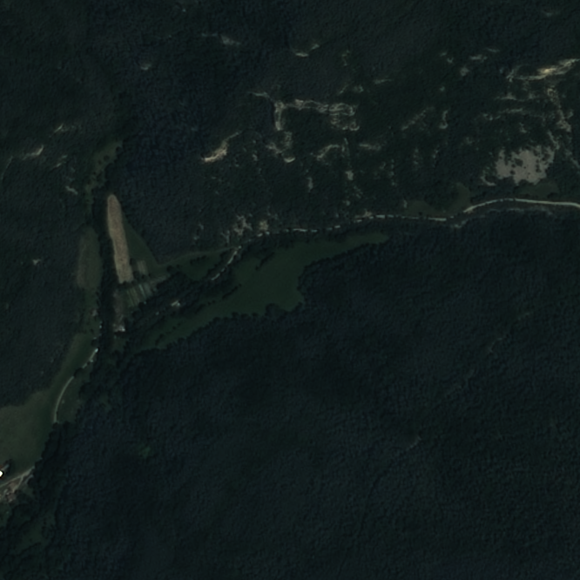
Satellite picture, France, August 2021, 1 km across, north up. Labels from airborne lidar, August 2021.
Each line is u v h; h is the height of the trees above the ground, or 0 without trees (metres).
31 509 16
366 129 9
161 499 16
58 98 16
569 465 17
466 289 9
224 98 13
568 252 17
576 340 13
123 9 13
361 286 18
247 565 10
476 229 15
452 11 10
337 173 10
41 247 19
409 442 6
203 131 12
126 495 17
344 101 12
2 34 19
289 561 13
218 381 18
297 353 16
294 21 15
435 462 11
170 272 13
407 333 14
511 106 8
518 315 9
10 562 16
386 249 18
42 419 0
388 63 14
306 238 7
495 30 18
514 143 9
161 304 14
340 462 11
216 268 9
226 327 16
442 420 11
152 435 10
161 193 11
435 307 11
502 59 6
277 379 14
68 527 8
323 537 10
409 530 11
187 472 17
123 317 0
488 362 9
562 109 9
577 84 8
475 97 7
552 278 14
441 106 12
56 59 14
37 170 15
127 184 7
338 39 17
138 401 21
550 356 13
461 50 6
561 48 18
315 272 12
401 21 10
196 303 18
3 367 17
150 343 0
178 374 19
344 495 7
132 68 16
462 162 12
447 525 12
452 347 12
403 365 11
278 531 15
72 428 20
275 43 15
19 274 13
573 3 14
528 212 8
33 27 16
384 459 10
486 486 18
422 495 10
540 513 16
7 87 17
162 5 11
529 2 9
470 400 14
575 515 10
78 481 15
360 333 20
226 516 14
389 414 17
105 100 13
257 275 0
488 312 12
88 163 7
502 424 13
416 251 18
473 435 18
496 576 8
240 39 13
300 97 14
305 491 9
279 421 13
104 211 16
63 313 12
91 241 0
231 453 15
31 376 19
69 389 0
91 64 11
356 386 20
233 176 11
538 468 12
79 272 0
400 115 7
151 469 20
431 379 10
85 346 0
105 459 16
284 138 11
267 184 8
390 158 10
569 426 10
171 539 15
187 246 18
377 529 14
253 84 14
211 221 16
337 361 19
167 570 16
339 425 10
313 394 17
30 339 17
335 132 9
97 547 16
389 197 11
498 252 12
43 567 10
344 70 15
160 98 17
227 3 19
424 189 18
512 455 14
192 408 17
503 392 12
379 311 15
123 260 0
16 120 15
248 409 16
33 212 19
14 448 0
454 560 8
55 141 10
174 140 14
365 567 9
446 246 13
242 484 14
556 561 6
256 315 14
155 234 10
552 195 11
